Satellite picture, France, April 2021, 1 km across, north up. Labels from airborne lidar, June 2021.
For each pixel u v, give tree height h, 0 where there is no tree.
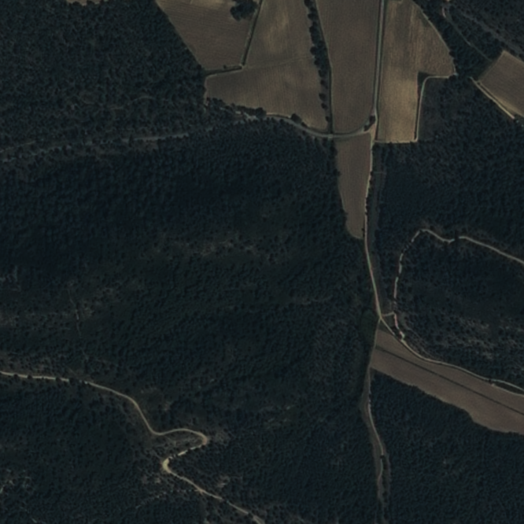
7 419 15
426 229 0
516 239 7
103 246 8
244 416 7
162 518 9
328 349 11
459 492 15
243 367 12
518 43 10
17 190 11
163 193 9
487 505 7
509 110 0
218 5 0
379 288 0
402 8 0
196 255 10
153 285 12
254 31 0
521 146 16
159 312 10
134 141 15
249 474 8
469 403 0
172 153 14
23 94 18
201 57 0
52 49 16
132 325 10
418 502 12
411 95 0
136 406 0
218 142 15
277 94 0
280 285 12
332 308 11
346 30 0
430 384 0
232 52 0
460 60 19
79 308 8
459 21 15
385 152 10
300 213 8
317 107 0
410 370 0
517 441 11
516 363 11
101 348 10
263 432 9
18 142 15
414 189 14
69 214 10
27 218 13
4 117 16
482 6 6
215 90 0
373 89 0
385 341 0
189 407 6
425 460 10
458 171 12
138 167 13
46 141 13
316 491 12
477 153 14
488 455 11
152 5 13
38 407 14
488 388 0
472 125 18
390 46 0
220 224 8
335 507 13
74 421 10
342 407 18
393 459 10
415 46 0
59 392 12
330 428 10
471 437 15
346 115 0
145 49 10
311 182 13
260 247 6
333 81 0
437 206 16
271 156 14
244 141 15
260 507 7
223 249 8
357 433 13
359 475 15
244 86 0
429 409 15
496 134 16
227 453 10
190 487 8
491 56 14
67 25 13
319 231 14
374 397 12
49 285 6
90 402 0
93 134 14
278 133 15
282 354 14
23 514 13
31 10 14
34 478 10
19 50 12
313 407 11
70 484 8
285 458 9
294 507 12
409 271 10
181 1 0
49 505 10
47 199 16
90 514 11
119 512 11
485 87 0
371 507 11
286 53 0
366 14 0
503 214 10
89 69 11
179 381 9
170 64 18
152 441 0
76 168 14
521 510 10
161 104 14
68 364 16
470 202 15
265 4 0
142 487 10
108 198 5
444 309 8
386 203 12
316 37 15
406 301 12
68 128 16
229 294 14
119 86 15
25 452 7
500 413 0
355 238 5
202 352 11
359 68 0
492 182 12
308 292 12
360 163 0
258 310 11
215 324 15
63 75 14
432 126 0
